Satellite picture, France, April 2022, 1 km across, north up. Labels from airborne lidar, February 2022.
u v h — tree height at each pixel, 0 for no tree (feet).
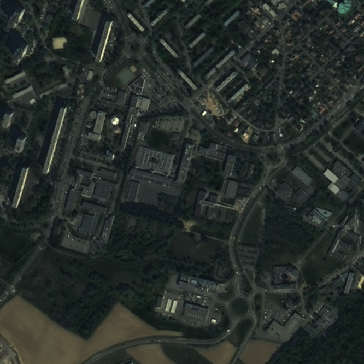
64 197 0
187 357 0
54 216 0
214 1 0
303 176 0
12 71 45
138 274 0
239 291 0
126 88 0
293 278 0
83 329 29
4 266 0
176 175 0
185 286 0
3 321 0
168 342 0
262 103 24
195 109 0
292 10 0
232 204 0
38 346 0
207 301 0
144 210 88
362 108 0
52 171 29
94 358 0
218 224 68
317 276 0
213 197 0
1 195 0
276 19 0
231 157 0
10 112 0
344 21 26
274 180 0
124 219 0
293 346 96
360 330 87
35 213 55
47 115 27
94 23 0
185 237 0
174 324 0
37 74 0
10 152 0
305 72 0
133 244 21
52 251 0
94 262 0
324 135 0
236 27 55
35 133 38
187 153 0
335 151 19
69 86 35
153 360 0
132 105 0
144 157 0
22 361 0
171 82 0
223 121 57
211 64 0
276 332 0
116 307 0
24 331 0
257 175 60
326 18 0
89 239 0
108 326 0
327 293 0
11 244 0
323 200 0
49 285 53
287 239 69
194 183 0
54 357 0
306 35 0
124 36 37
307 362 103
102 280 45
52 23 50
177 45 0
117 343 0
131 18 0
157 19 0
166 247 45
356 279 0
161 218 73
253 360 0
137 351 0
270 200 62
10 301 0
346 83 0
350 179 0
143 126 0
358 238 0
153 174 0
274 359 63
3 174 39
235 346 0
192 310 0
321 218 0
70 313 83
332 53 0
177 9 46
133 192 0
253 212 0
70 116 27
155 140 0
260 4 0
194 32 45
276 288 0
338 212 0
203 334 0
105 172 0
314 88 18
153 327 0
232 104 90
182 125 0
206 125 0
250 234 0
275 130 0
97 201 0
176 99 0
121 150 0
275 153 0
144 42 0
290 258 0
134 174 0
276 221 74
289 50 0
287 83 42
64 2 36
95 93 39
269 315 0
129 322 0
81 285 0
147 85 0
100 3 91
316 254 0
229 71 38
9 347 0
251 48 0
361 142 0
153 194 0
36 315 0
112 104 0
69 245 0
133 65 0
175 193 0
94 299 53
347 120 0
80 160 0
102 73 0
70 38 62
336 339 102
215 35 55
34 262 0
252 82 52
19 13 0
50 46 41
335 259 0
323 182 0
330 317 0
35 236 0
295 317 0
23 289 0
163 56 37
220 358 0
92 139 28
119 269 0
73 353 0
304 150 0
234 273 28
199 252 0
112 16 52
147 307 0
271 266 59
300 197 0
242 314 0
